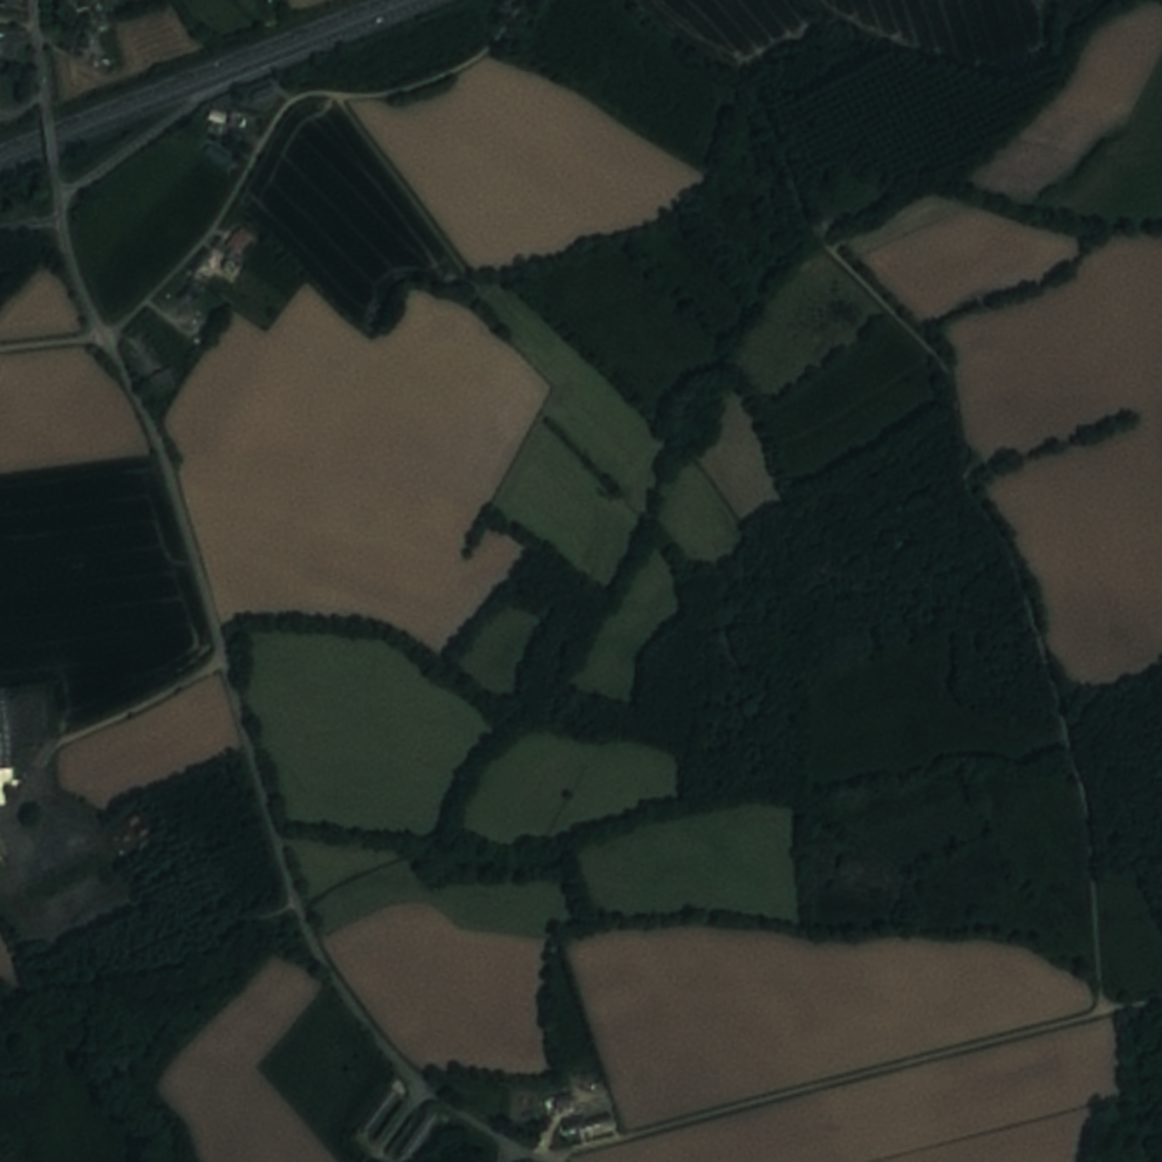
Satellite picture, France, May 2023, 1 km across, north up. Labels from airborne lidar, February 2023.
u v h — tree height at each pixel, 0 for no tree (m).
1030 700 16
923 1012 0
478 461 0
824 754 0
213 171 0
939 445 15
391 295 11
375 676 0
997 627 11
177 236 0
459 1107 11
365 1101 0
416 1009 0
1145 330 0
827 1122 0
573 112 0
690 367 0
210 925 23
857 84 33
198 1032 10
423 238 0
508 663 0
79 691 0
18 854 0
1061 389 0
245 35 7
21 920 0
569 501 0
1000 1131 0
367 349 0
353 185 0
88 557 0
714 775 18
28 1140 0
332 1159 0
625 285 0
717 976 0
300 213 0
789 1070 0
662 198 0
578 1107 0
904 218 0
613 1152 0
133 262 0
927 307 0
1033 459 9
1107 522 0
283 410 0
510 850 7
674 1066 0
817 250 11
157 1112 7
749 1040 0
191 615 0
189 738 0
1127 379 0
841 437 0
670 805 16
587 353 7
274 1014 0
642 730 15
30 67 7
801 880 9
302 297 0
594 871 0
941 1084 0
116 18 10
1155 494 0
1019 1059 0
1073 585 0
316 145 0
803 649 16
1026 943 11
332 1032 0
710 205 8
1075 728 14
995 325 0
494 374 0
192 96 0
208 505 0
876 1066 0
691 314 13
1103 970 0
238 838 14
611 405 0
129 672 0
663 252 0
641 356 0
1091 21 14
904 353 0
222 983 13
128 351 0
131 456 0
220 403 0
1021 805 0
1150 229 15
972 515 16
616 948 0
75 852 0
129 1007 20
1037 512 0
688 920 15
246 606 0
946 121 39
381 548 0
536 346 0
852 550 12
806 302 0
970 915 9
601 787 0
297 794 0
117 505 0
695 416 21
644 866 0
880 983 0
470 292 9
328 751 0
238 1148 0
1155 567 0
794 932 7
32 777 0
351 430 0
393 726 0
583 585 16
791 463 0
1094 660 0
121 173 0
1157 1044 14
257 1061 0
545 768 0
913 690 0
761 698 7
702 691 16
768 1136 0
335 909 0
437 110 0
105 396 0
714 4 0
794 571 16
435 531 0
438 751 0
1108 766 13
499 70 0
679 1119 0
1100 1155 11
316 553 0
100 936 21
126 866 14
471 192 0
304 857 0
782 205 9
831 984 0
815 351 0
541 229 0
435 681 13
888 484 13
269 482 0
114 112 0
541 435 0
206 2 0
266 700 0
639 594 0
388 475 0
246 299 0
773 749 15
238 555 0
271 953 8
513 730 18
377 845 15
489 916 0
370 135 0
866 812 0
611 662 0
